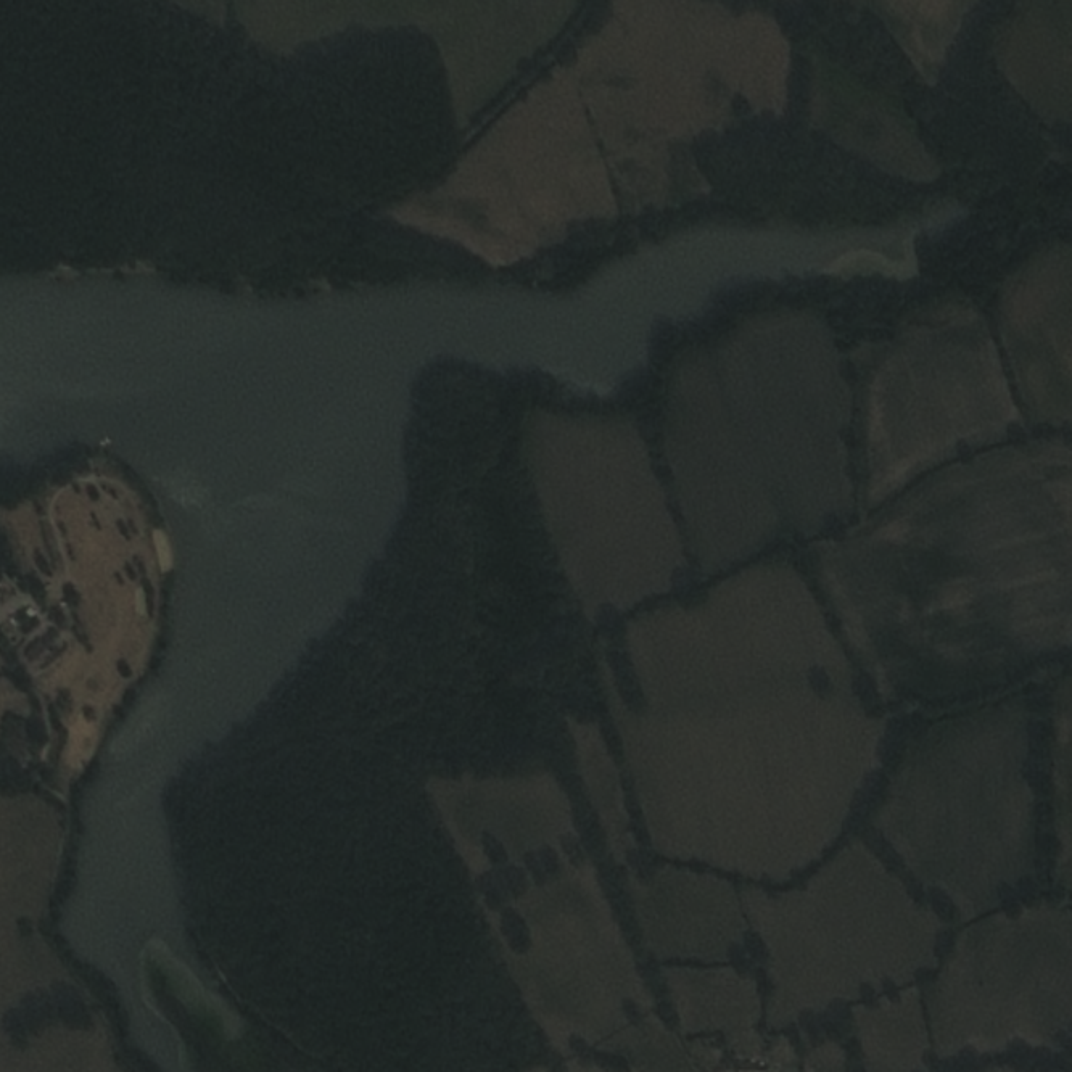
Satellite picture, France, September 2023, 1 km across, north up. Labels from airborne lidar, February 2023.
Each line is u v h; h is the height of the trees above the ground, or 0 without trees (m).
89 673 0
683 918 0
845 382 12
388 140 26
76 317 0
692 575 11
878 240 0
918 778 0
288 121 25
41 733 15
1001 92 20
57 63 23
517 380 18
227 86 22
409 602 19
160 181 22
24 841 0
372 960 22
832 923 0
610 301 0
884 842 15
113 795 0
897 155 0
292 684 9
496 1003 17
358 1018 18
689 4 0
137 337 0
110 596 0
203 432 0
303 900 18
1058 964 0
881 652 0
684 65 0
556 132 0
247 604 0
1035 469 0
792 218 11
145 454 0
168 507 0
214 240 25
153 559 0
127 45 22
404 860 24
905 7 0
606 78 0
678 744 0
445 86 19
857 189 24
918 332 0
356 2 0
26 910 0
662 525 0
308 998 21
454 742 14
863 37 19
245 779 17
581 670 9
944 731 0
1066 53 0
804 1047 16
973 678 0
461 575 19
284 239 18
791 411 0
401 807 20
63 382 0
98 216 24
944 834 0
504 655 12
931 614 0
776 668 0
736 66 0
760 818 0
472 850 0
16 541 0
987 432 0
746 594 0
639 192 0
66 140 23
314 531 0
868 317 19
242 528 0
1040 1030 0
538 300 0
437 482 17
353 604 11
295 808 20
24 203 24
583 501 0
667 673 0
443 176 11
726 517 0
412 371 0
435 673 23
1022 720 0
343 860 17
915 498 0
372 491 0
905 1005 0
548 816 0
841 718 0
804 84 18
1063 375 0
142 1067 6
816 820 0
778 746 0
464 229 0
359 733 21
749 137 20
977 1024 0
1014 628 0
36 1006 20
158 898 0
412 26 0
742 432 0
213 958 9
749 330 0
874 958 0
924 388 0
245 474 0
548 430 0
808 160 24
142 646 0
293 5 0
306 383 0
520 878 14
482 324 0
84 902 0
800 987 0
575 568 0
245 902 14
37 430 0
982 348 0
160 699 0
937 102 17
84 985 0
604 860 22
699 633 0
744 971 12
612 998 0
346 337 0
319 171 21
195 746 0
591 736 0
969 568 0
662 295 0
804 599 0
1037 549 0
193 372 0
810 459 0
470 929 25
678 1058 0
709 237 0
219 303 0
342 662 18
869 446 0
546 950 0
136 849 0
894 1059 0
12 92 25
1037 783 23
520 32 0
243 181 22
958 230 13
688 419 0
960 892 0
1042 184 12
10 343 0
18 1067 0
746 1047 0
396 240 21
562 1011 0
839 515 0
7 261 18
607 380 0
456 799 0
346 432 0
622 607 0
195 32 19
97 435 0
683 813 0
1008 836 0
